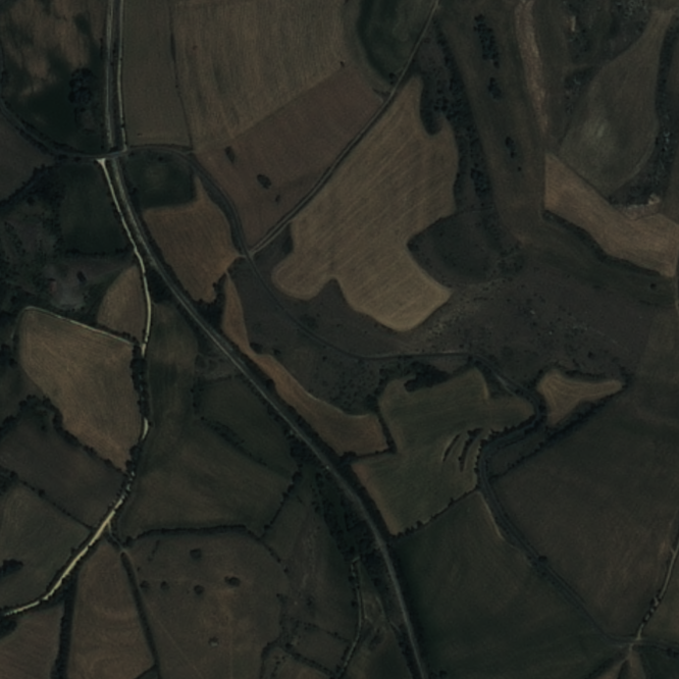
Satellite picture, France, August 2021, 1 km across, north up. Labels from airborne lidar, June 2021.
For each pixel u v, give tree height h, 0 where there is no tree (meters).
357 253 0
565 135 0
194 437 0
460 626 0
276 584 0
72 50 0
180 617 0
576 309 0
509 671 0
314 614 0
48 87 0
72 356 0
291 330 0
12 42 0
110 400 0
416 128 0
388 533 10
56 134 0
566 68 0
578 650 0
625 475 0
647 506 0
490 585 0
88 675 0
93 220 0
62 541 0
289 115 0
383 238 0
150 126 0
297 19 0
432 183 0
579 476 0
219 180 0
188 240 0
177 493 0
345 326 0
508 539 0
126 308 0
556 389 0
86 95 12
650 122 0
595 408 12
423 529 10
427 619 0
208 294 0
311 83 0
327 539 0
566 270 0
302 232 0
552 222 0
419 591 0
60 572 6
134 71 0
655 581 0
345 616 0
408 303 0
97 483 0
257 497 0
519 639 0
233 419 0
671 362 0
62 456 0
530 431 11
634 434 0
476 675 0
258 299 0
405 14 0
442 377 9
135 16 0
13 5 0
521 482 0
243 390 0
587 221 0
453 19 0
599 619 0
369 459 0
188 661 0
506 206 0
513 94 0
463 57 0
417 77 0
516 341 0
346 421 0
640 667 0
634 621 0
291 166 0
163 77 0
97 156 0
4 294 12
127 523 0
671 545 0
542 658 0
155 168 0
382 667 0
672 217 0
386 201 0
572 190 0
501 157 0
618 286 0
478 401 0
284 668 0
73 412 0
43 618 0
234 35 0
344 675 8
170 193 0
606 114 0
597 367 0
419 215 0
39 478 0
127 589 0
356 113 0
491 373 9
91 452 11
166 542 0
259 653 0
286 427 7
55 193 7
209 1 0
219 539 0
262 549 0
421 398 0
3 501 0
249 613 0
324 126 0
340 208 0
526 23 0
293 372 0
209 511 0
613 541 0
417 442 0
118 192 7
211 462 0
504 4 0
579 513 0
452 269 0
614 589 0
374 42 0
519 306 0
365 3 0
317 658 0
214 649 0
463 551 0
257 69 0
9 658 0
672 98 0
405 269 0
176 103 0
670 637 0
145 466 0
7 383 0
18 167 0
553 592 0
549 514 0
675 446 0
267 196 0
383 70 0
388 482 0
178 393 0
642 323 0
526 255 0
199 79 0
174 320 0
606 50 0
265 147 0
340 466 13
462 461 7
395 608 0
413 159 0
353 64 0
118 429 0
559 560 0
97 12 0
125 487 7
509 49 0
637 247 0
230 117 0
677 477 0
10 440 0
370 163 0
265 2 0
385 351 0
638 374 0
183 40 0
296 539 0
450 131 0
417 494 0
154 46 0
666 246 0
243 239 0
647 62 0
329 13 0
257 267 0
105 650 0
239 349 6
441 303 0
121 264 0
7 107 6
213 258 0
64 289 0
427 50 0
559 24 0
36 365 0
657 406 0
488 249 0
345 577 0
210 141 0
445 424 0
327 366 0
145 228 9
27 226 0
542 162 0
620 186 0
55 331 0
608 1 0
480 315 0
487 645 0
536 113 0
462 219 0
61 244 10
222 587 0
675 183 0
